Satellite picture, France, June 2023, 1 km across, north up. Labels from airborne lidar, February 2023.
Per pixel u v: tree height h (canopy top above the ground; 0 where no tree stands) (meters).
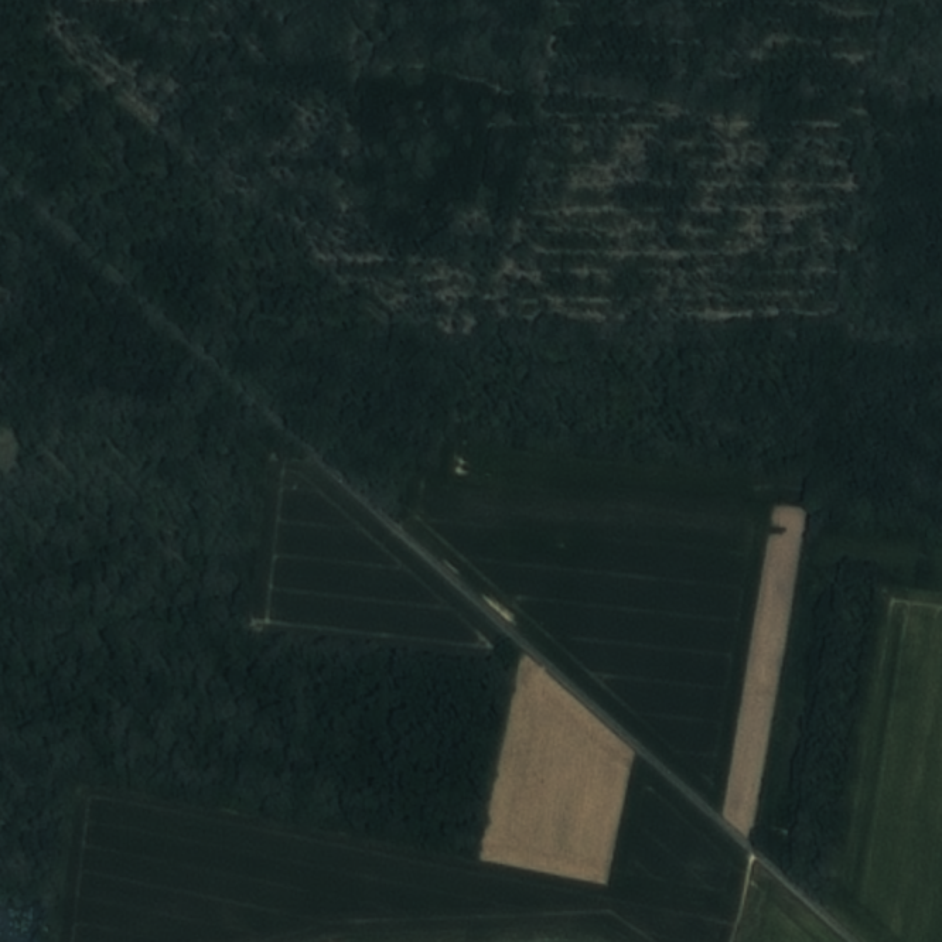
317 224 25
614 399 25
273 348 22
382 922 0
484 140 13
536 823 0
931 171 26
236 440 31
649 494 0
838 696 21
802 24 17
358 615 0
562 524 0
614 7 16
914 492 24
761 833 13
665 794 0
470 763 32
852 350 25
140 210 27
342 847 0
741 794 0
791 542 0
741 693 0
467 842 20
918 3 23
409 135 12
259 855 0
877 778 0
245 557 25
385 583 0
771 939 0
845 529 12
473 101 10
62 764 24
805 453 27
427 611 0
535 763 0
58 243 21
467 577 0
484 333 22
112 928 0
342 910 0
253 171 27
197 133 26
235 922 0
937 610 0
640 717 0
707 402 26
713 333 22
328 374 25
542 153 19
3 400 29
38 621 27
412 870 0
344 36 24
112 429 27
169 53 26
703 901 0
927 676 0
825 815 18
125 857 0
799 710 0
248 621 22
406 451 24
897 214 26
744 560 0
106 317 10
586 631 0
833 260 26
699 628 0
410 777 33
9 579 27
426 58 23
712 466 19
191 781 28
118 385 25
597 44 22
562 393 25
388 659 27
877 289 25
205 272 18
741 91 20
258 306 27
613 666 0
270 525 0
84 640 27
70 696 29
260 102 26
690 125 21
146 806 0
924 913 0
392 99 8
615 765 0
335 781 25
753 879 0
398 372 24
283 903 0
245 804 22
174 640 26
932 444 25
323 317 26
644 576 0
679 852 0
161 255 12
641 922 0
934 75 27
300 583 0
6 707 27
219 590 20
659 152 21
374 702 9
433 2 22
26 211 24
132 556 22
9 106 23
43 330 14
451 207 19
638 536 0
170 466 28
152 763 20
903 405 25
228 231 24
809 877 13
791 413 28
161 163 27
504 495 0
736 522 0
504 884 0
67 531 24
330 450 22
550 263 26
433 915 0
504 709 25
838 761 19
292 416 26
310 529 0
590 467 0
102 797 0
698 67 19
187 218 24
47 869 26
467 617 0
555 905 0
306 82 25
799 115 24
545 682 0
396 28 22
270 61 29
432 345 25
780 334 27
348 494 0
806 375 28
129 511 29
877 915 0
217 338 24
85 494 26
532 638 0
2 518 26
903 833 0
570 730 0
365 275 20
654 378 26
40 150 26
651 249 23
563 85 22
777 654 0
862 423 26
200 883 0
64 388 26
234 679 25
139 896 0
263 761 21
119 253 28
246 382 26
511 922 0
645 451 23
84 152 25
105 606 22
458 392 24
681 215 12
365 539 0
